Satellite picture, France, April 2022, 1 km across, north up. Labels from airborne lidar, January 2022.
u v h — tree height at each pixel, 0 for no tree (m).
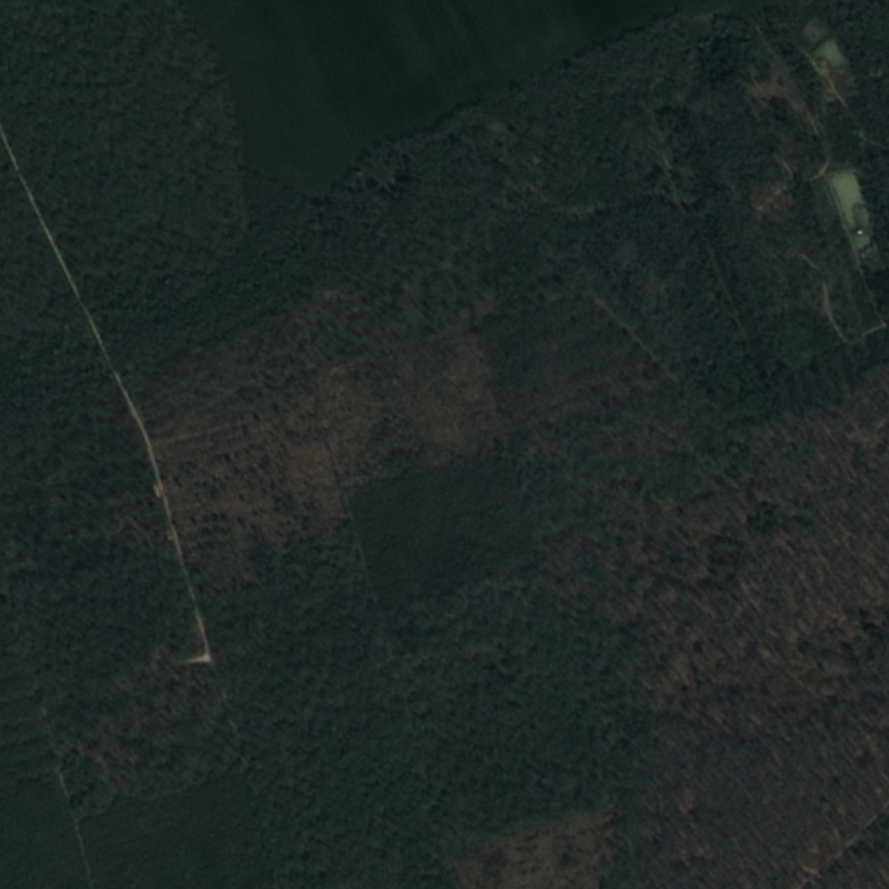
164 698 25
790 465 29
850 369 11
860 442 30
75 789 21
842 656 23
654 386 13
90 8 19
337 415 0
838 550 30
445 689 24
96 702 27
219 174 24
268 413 0
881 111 22
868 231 0
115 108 23
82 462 0
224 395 0
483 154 26
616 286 21
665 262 21
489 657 22
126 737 25
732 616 26
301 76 0
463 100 0
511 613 21
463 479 9
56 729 23
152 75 20
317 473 0
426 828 22
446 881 19
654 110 25
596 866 0
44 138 23
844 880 28
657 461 22
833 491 26
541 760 21
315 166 0
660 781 26
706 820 29
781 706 6
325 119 0
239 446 0
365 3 0
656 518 22
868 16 21
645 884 22
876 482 26
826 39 0
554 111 22
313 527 18
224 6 0
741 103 23
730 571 27
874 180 20
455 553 9
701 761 30
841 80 0
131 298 13
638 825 25
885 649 24
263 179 10
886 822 21
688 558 23
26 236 24
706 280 26
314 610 24
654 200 18
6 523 19
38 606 25
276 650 21
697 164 8
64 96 21
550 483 22
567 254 24
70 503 21
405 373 0
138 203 25
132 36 24
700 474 25
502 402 13
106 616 26
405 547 11
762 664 29
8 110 20
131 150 23
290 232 22
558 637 0
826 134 0
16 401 19
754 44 8
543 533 19
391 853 18
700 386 16
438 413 0
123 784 25
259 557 16
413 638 23
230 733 25
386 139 0
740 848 31
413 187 24
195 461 0
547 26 0
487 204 25
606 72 23
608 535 22
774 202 23
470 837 21
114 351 15
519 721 21
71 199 20
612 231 18
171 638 26
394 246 19
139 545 18
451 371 0
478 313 22
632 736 23
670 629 24
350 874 22
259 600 23
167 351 20
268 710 26
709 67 28
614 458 27
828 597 29
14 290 25
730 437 22
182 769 25
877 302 6
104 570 25
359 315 0
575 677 21
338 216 27
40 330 26
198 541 0
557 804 23
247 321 0
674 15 7
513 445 9
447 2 0
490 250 25
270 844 19
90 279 9
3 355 14
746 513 28
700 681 26
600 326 0
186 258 23
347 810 23
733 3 0
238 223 23
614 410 16
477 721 20
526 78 0
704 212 13
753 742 29
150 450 0
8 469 22
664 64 22
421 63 0
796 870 26
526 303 6
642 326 23
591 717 26
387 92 0
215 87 23
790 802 26
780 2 0
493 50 0
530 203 20
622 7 0
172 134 25
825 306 0
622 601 25
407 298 27
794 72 22
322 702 21
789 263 24
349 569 18
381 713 24
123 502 24
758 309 22
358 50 0
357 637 23
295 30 0
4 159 16
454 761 21
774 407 11
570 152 22
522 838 0
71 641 22
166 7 24
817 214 27
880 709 29
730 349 16
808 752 31
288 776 22
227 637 26
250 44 0
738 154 26
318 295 25
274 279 17
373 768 20
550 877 0
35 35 22
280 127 0
